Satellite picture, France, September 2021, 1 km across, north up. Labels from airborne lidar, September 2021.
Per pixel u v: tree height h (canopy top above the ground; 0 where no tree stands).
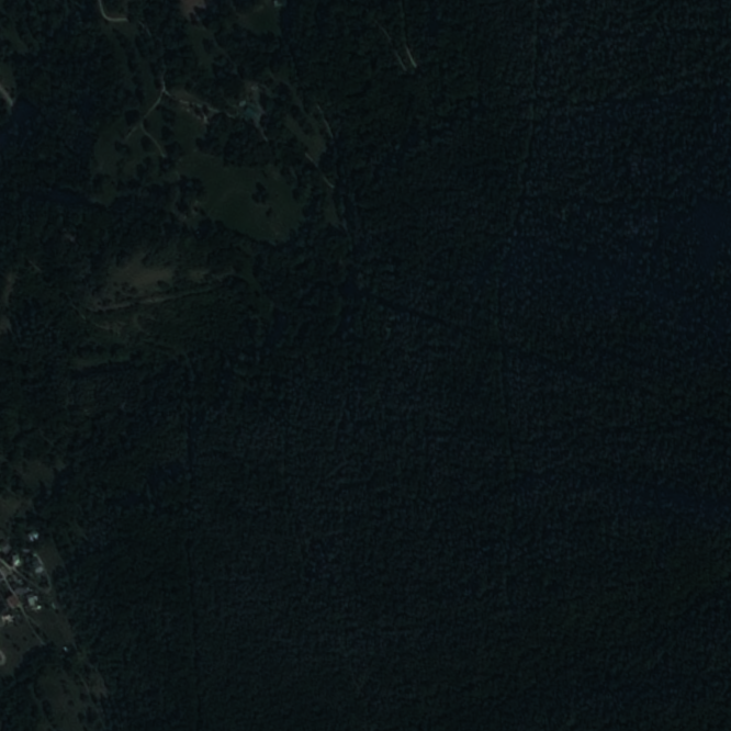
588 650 20
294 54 25
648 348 26
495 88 25
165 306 6
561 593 24
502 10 18
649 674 20
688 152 21
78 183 24
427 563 23
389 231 24
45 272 23
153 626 21
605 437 24
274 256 23
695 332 27
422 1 14
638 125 24
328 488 15
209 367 21
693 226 14
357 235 18
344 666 19
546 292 25
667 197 24
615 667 22
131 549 31
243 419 20
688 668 22
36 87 27
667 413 24
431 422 19
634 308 24
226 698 16
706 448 21
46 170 31
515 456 24
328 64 30
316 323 35
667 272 25
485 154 25
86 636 12
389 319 24
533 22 17
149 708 20
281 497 18
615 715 19
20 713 21
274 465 22
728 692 13
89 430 13
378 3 13
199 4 0
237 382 25
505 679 20
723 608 21
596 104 14
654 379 22
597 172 21
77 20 14
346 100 20
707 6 22
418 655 20
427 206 23
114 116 21
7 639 10
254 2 20
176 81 17
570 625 19
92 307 6
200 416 9
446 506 18
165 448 8
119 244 20
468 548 21
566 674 22
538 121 12
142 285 0
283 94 16
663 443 23
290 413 20
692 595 19
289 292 31
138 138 0
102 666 13
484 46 24
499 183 30
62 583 15
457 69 27
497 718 23
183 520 21
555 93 17
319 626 19
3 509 0
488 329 21
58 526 11
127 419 23
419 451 19
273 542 20
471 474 26
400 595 19
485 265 19
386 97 13
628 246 18
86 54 22
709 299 26
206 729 19
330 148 9
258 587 21
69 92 21
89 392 18
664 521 20
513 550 25
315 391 25
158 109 6
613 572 22
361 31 15
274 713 21
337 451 21
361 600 21
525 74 20
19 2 19
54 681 0
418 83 15
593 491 18
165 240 9
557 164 26
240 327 9
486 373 24
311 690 15
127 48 16
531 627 19
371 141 15
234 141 17
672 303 25
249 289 16
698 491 21
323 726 18
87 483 20
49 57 22
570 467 22
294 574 17
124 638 21
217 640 19
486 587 22
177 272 10
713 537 15
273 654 19
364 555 23
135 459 8
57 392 24
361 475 20
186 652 23
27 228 21
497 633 18
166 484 27
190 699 25
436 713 19
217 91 14
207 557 26
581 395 23
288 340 30
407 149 21
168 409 22
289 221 0
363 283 29
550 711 22
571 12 14
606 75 17
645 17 16
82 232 28
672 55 18
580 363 25
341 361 25
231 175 0
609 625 20
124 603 26
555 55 18
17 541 7
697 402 26
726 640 20
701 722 21
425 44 15
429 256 25
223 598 20
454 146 21
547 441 20
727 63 18
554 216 23
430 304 18
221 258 22
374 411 19
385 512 21
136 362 18
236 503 19
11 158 23
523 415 25
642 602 22
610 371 24
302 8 32
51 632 0
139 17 14
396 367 23
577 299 26
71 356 14
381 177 22
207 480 20
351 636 18
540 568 21
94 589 22
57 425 19
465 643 22
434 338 21
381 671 20
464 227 23
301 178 15
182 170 0
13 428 13
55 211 28
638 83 20
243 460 19
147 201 17
